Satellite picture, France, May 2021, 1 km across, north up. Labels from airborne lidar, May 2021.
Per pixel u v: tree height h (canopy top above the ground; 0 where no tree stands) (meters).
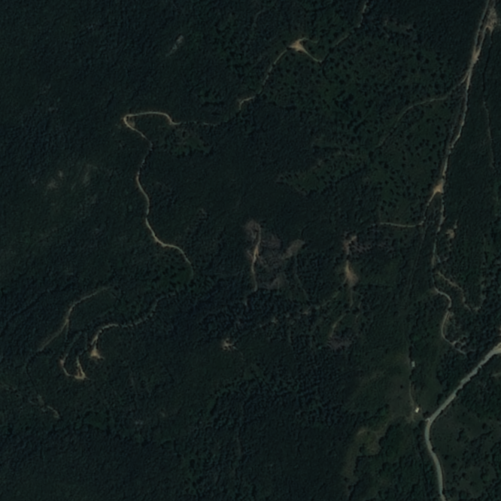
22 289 14
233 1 8
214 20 24
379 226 12
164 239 6
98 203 8
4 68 13
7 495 15
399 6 18
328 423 15
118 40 9
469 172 10
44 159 7
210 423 13
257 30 15
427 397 0
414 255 9
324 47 14
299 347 14
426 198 8
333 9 16
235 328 18
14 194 8
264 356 15
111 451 19
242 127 21
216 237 9
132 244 9
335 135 14
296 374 12
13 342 14
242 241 12
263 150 22
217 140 16
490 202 15
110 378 6
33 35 14
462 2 20
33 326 18
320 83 20
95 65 10
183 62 21
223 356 10
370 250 11
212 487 17
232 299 16
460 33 14
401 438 16
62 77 9
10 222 9
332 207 14
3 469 26
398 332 7
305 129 18
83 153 14
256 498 22
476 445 10
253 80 10
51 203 7
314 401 18
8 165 12
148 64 12
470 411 6
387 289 14
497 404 13
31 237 14
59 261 11
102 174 12
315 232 16
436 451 11
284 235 12
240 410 14
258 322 18
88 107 9
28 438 18
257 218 19
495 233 12
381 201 16
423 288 10
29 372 13
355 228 11
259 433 9
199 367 16
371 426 12
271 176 14
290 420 13
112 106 9
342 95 12
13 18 12
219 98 13
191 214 6
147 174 9
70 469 21
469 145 9
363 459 16
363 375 15
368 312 9
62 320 23
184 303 12
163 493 14
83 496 12
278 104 21
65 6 12
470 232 6
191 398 12
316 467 12
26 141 8
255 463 13
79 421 17
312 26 8
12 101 9
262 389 12
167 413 9
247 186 9
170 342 12
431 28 18
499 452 9
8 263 9
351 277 0
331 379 13
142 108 13
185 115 15
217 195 15
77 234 13
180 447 22
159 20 11
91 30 7
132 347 12
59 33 9
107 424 17
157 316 7
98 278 18
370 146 19
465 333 7
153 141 12
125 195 10
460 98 6
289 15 13
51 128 9
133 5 10
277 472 11
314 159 22
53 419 19
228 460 14
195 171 15
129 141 15
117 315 6
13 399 15
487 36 9
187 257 7
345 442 15
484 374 11
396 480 6
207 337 14
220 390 11
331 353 14
